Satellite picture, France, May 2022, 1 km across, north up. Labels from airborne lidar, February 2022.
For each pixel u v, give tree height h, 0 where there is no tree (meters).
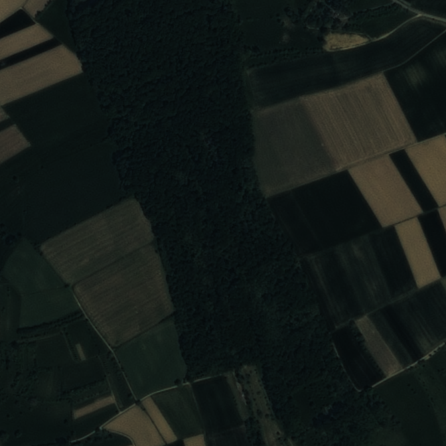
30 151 0
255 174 19
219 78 30
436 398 0
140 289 0
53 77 0
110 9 31
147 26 33
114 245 0
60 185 0
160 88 31
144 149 31
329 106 0
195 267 22
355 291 0
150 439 0
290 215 0
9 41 0
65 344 0
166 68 30
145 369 0
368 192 0
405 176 0
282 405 27
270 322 26
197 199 24
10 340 0
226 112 31
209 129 27
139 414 0
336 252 0
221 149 29
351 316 0
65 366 0
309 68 0
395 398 0
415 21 0
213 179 30
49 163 0
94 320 0
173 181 29
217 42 22
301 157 0
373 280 0
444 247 0
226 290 29
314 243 0
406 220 0
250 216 7
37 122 0
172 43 33
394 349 0
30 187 0
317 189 0
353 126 0
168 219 17
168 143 32
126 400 0
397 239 0
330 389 14
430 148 0
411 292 0
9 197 0
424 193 0
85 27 23
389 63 0
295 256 13
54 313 0
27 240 0
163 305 0
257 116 0
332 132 0
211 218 27
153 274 0
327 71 0
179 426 0
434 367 0
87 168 0
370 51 0
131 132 25
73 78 0
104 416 0
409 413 0
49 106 0
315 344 25
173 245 26
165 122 30
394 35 0
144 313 0
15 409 0
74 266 0
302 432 7
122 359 0
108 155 0
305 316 24
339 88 0
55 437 0
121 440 0
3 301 0
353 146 0
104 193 0
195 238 22
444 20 0
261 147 0
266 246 29
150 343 0
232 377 0
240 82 20
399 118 0
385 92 0
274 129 0
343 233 0
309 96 0
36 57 0
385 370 0
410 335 0
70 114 0
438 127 0
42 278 0
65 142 0
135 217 0
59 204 0
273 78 0
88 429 0
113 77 28
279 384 27
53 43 0
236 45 16
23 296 0
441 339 0
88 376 0
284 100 0
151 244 0
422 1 0
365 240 0
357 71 0
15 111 0
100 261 0
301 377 24
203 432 0
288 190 0
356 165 0
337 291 0
